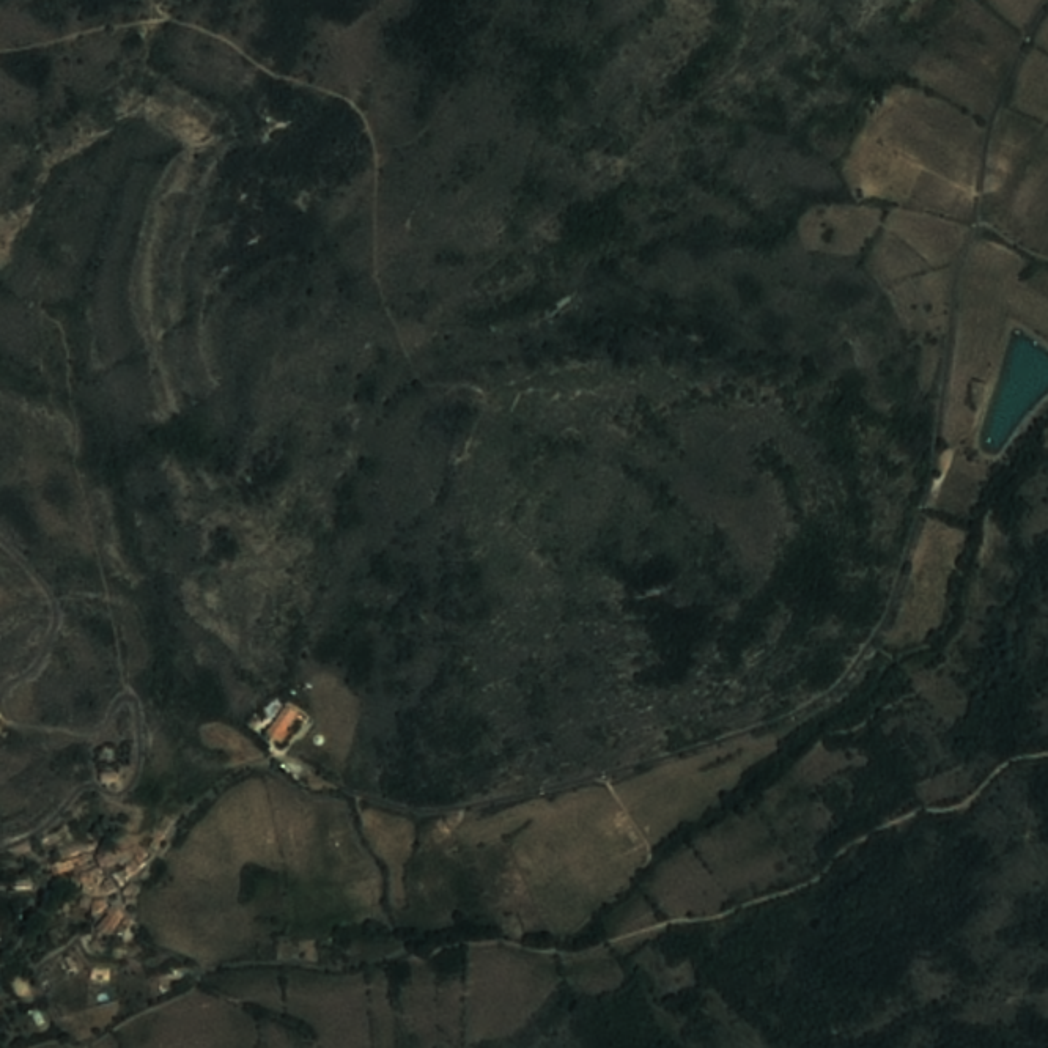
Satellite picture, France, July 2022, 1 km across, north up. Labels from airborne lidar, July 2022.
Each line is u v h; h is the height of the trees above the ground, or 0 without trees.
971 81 0
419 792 6
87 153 7
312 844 0
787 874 0
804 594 9
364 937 6
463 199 0
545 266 9
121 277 0
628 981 7
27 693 0
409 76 0
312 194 0
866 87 8
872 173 0
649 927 0
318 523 7
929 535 0
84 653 0
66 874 7
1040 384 0
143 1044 0
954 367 0
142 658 0
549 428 0
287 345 0
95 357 0
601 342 8
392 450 0
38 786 0
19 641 0
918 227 0
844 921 9
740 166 0
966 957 6
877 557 8
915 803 6
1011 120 0
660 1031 7
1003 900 0
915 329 0
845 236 0
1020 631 10
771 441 7
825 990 7
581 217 10
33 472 0
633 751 0
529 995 0
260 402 0
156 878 7
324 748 0
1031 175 0
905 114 0
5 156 0
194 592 0
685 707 0
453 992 0
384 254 0
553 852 0
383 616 6
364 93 0
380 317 0
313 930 0
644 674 8
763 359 7
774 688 8
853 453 9
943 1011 6
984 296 0
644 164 7
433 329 0
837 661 5
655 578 6
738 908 7
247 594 0
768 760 6
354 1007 0
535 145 7
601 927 6
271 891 0
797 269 0
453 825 0
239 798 0
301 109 7
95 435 6
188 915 0
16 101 0
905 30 6
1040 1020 8
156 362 0
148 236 0
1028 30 0
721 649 7
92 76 0
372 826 0
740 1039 0
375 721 0
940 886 6
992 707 10
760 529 0
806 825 0
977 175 0
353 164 6
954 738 6
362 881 0
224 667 0
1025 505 8
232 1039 0
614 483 0
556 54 6
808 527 7
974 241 0
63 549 0
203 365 0
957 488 0
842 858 7
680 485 0
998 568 0
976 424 0
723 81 0
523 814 0
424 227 0
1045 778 9
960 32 0
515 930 0
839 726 8
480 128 0
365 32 0
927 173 0
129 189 0
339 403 0
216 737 0
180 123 0
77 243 0
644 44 0
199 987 7
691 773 0
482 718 6
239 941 0
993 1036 7
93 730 0
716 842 0
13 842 0
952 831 7
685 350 6
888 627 6
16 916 11
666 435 7
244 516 0
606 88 0
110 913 0
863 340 0
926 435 9
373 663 0
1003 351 0
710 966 8
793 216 7
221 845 0
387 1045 0
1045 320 0
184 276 0
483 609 6
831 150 0
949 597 7
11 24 0
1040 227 0
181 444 7
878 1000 7
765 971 6
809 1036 6
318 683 0
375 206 0
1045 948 8
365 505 0
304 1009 0
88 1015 0
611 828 0
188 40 0
